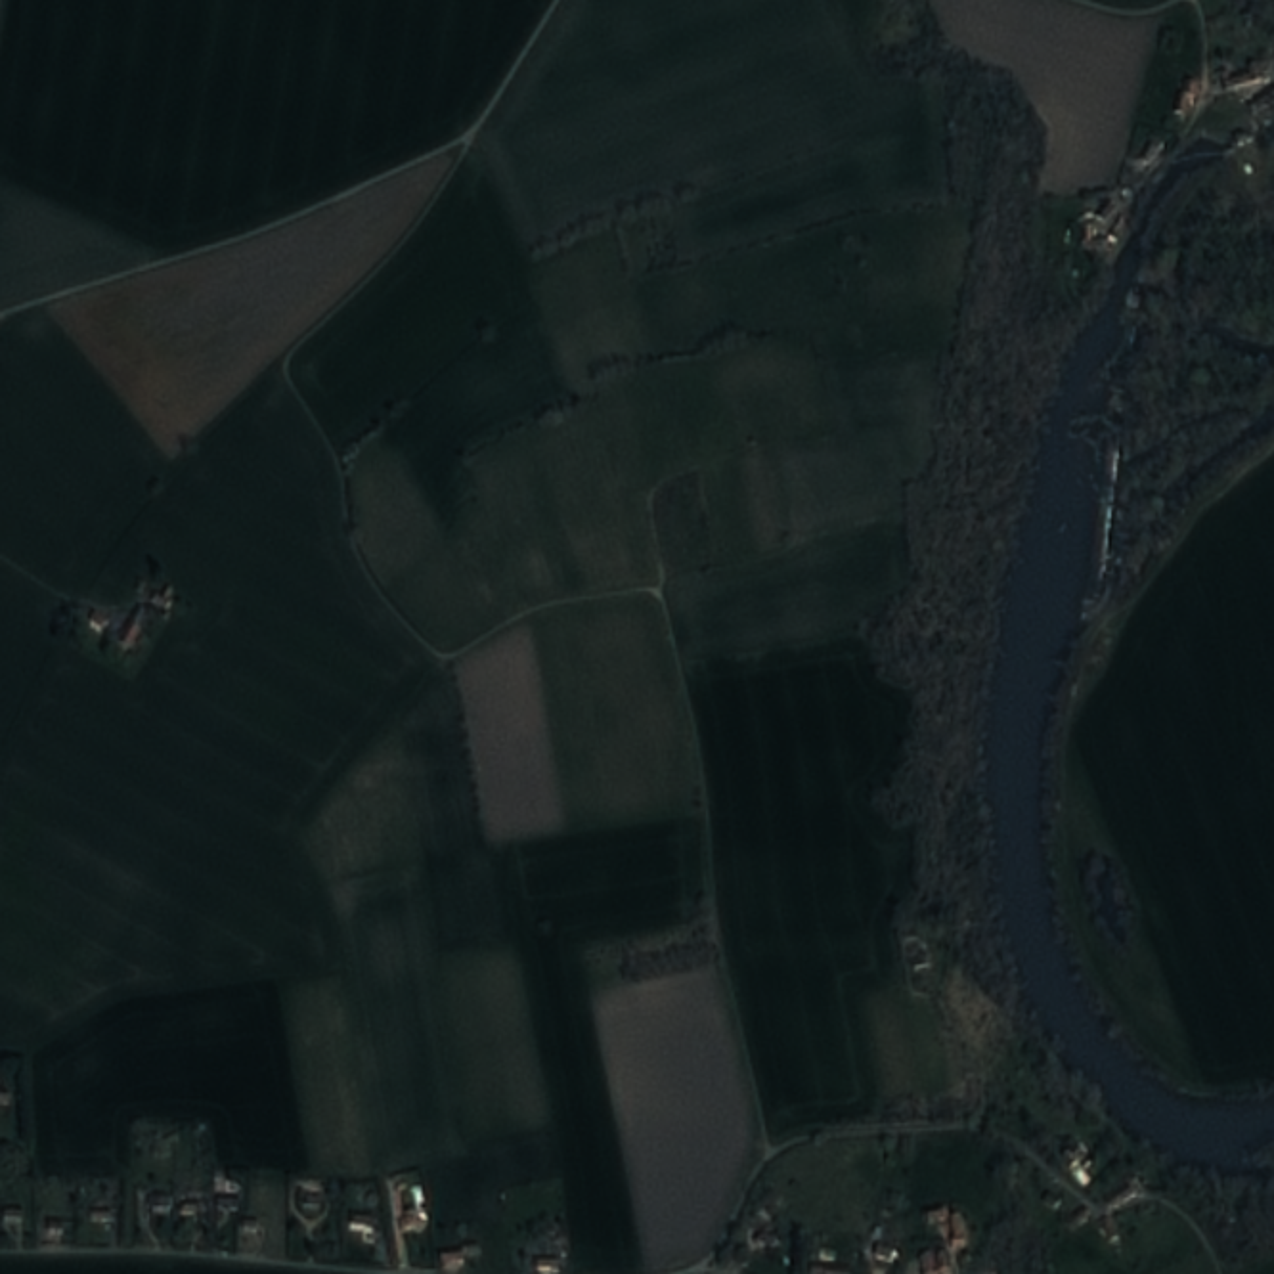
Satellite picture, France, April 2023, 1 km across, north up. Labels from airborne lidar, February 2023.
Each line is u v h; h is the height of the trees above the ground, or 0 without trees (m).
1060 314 7
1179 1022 0
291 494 0
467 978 0
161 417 0
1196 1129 0
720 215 0
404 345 0
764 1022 0
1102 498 0
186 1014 0
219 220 0
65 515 0
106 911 0
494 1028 0
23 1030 0
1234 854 0
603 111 0
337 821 0
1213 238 18
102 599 0
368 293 0
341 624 0
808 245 0
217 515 0
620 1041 0
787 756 0
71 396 0
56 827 0
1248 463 16
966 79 6
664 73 0
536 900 0
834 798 0
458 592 0
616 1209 0
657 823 0
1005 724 0
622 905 0
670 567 0
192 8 0
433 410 0
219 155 0
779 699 0
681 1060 0
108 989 0
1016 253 18
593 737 0
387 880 0
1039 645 0
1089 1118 17
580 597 0
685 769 0
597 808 0
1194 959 0
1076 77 0
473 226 0
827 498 0
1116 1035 15
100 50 0
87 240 0
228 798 0
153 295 0
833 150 0
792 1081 0
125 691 0
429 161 0
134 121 0
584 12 0
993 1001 17
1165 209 15
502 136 0
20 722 0
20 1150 9
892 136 0
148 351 0
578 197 0
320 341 0
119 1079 0
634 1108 0
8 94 0
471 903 0
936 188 0
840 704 0
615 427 0
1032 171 15
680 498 0
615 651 0
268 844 0
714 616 0
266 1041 0
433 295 0
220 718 0
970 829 11
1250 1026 0
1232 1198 19
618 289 0
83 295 0
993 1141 14
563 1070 0
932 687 10
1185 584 0
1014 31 0
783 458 0
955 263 0
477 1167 0
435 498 0
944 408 7
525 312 0
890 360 0
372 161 0
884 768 0
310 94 0
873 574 0
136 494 0
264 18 0
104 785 0
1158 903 0
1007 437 20
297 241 0
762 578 0
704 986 0
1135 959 0
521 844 0
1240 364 13
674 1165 0
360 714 0
